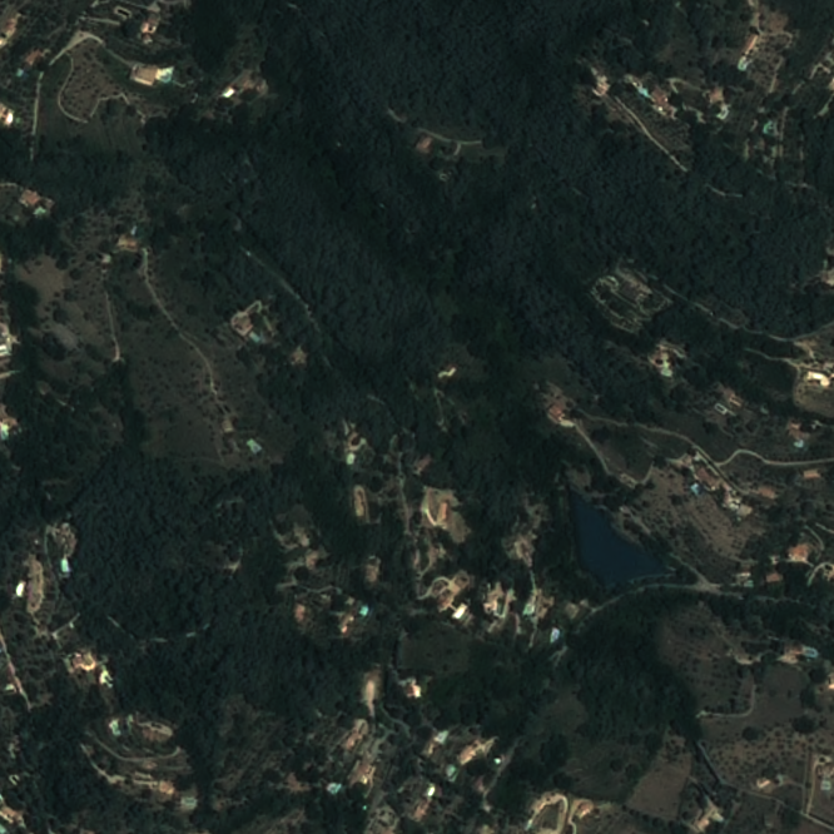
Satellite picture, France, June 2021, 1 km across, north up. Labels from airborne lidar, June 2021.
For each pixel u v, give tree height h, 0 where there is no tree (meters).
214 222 12
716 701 0
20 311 12
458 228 21
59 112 0
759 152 11
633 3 9
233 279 18
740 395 8
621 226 21
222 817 21
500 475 19
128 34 23
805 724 13
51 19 6
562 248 13
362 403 19
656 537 9
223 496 19
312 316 8
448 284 7
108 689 0
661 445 0
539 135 16
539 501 8
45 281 0
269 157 21
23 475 14
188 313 7
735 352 11
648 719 12
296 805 18
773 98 10
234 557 15
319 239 16
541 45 15
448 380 6
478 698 12
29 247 16
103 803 20
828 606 16
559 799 0
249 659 21
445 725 15
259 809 16
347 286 18
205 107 7
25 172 19
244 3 13
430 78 14
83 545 19
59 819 11
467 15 22
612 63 9
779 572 12
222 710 16
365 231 13
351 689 26
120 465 18
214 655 22
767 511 8
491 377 5
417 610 6
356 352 18
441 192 17
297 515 0
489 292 13
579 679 16
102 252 6
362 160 14
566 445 13
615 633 8
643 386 16
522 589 12
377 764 6
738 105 6
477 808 9
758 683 7
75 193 18
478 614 11
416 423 18
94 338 0
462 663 0
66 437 16
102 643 14
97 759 16
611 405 17
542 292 17
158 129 13
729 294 20
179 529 12
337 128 19
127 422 11
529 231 15
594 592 9
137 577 6
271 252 18
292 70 21
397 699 11
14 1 6
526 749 14
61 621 10
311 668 26
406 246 23
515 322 15
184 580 15
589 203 15
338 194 13
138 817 16
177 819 16
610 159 18
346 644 10
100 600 16
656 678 12
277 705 15
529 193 16
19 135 16
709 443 0
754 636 6
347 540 14
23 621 11
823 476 6
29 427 9
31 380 11
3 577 16
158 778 9
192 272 9
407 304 18
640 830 0
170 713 14
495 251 16
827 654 15
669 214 22
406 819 16
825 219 16
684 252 17
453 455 17
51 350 12
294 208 14
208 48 15
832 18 9
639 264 13
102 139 0
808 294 9
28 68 7
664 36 17
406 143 13
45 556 10
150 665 14
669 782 0
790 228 14
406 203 19
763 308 19
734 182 18
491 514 22
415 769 15
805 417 14
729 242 16
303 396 12
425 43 20
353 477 12
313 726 26
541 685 8
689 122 11
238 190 11
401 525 12
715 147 18
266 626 27
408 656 0
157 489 18
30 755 19
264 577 14
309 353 15
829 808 0
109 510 16
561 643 9
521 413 14
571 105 19
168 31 8
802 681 0
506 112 20
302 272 18
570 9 23
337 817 18
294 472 11
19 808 12
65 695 18
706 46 14
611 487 11
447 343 19
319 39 15
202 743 20
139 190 6
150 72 0
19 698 8
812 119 14
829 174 17
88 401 11
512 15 10
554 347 20
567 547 9
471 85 16
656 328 17
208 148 13
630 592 11
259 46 6
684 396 16
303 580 16
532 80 16
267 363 6
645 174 20
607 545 0
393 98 11
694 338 20
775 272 19
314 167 24
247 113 12
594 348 15
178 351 0
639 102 6
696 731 14
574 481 0
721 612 14
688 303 16
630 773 9
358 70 18
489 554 10
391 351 13
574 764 0
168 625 18
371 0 17
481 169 12
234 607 16
